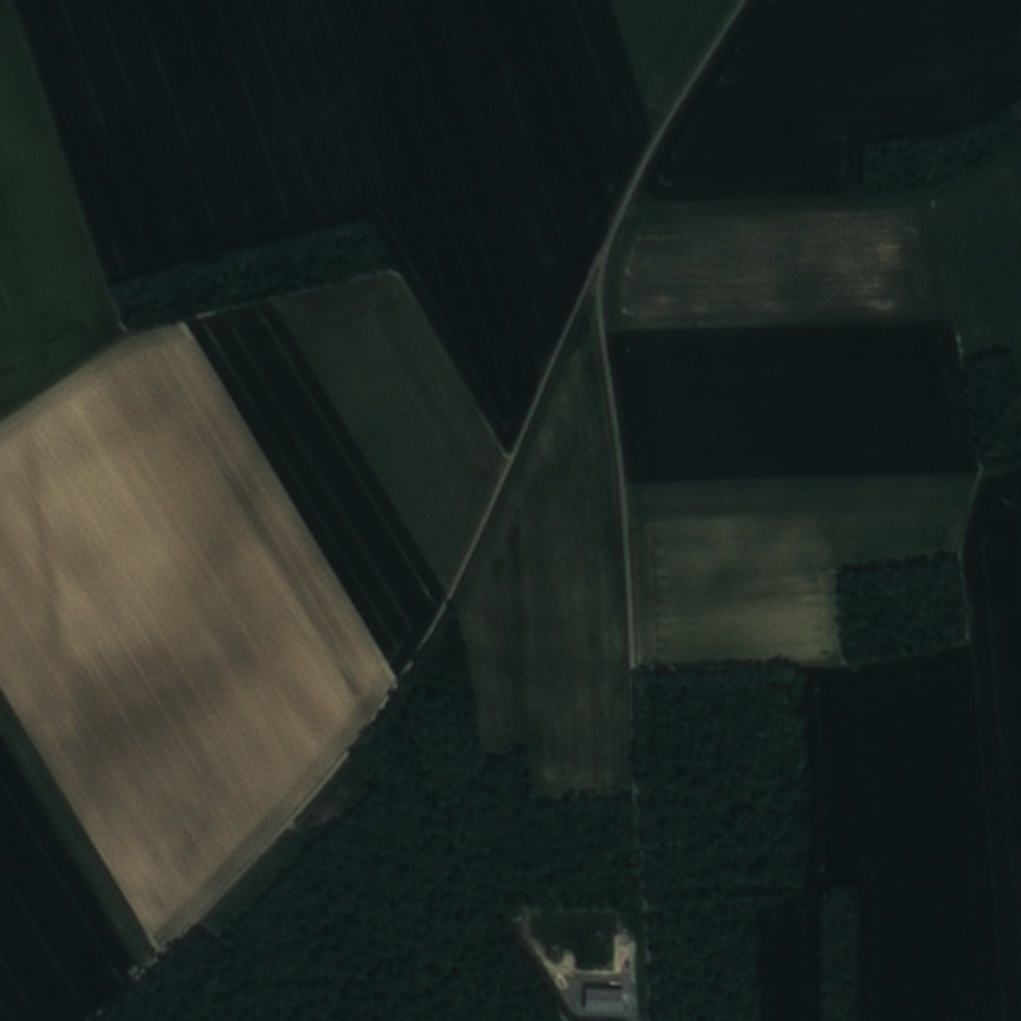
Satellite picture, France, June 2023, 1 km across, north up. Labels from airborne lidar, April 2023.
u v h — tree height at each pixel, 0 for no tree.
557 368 0
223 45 0
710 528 0
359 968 22
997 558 0
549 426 0
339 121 0
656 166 0
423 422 0
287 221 0
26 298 0
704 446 0
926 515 0
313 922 16
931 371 0
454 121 0
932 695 0
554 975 0
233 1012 17
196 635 0
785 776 16
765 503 0
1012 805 0
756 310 0
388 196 0
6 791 0
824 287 0
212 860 0
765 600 0
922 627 10
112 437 0
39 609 0
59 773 0
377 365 0
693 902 7
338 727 0
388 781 9
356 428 0
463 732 15
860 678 0
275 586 0
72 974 0
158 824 0
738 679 15
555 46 0
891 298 0
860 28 0
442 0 0
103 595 0
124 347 0
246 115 0
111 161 0
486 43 0
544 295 0
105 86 0
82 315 0
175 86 0
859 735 0
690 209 0
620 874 16
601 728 0
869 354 0
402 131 0
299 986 18
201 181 0
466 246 0
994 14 0
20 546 0
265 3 0
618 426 0
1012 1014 0
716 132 0
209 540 0
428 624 0
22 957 0
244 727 0
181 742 0
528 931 0
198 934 16
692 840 19
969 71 0
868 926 0
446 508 0
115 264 0
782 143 0
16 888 0
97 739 0
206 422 0
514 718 0
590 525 0
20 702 0
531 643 0
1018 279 0
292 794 0
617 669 0
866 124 0
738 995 18
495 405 0
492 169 0
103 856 0
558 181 0
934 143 11
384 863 16
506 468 0
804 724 10
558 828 10
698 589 0
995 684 0
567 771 0
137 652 0
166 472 0
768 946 0
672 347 0
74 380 0
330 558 0
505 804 17
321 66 0
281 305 0
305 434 0
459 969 17
